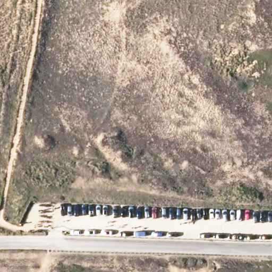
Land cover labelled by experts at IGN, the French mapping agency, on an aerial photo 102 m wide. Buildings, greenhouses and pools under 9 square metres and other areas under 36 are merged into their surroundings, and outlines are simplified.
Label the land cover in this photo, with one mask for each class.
<instances>
[{"label":"bare soil","instance_id":"1","mask_svg":"<svg viewBox=\"0 0 272 272\"><path fill-rule=\"evenodd\" d=\"M34 34H37V44L23 112L20 149L17 151L10 187L4 199L7 165L10 163L14 147L24 76L27 73ZM272 49V0H0V210H4L5 221L17 226L25 224L33 205L39 202H50L53 205H93L96 202L109 204L113 199L116 202L123 200V205L127 207H142L146 204L148 207L165 210L166 207L236 211L244 208L256 211L272 210V89L260 85L263 80L254 68L257 61L249 64L248 58L255 50ZM212 63L223 70L224 84L229 85L232 79L236 82L239 78L243 79L248 85V90L252 92L257 120L263 116L267 125L258 124L250 130V127L244 126L243 120L231 114L229 109L221 112L220 106L215 105L217 93L202 83ZM207 260L202 257H176L167 260L139 258L138 272H170L169 266L187 270L202 269L206 266ZM215 272H272V261L228 259L225 265Z\"/></svg>","mask_w":272,"mask_h":272},{"label":"impervious surface","instance_id":"2","mask_svg":"<svg viewBox=\"0 0 272 272\"><path fill-rule=\"evenodd\" d=\"M123 200L116 202L113 199L109 204L96 202L93 205H53L50 202H39L33 205L25 224L17 226L5 221L4 210H0V253H49L52 266L56 267L59 261L61 255L73 254L106 255L107 259L114 255L139 258L167 260L176 257H202L207 260L228 259L272 261V210L256 211L244 208L236 211L166 207L165 210L148 207L146 204L142 207H127L123 205Z\"/></svg>","mask_w":272,"mask_h":272},{"label":"pervious surface","instance_id":"3","mask_svg":"<svg viewBox=\"0 0 272 272\"><path fill-rule=\"evenodd\" d=\"M37 44V34H34L27 73L24 76L14 147L10 163L7 165L4 199L10 187L17 151L20 149L23 112ZM49 253H0V272H56V267L52 266ZM139 258L114 255L107 259L106 255L73 254L61 255L59 261L66 266L98 267L99 271L108 272H138ZM228 259L207 260L206 266L202 269L187 270L169 266L170 272H215L225 265Z\"/></svg>","mask_w":272,"mask_h":272},{"label":"herbaceous vegetation","instance_id":"4","mask_svg":"<svg viewBox=\"0 0 272 272\"><path fill-rule=\"evenodd\" d=\"M257 61L254 68L263 80L260 85L272 89V49L255 50L248 58L249 64ZM223 70L212 63L202 83L217 93L215 105L220 106L221 112L229 109L231 114L243 120L244 126L250 127V130L258 124L267 125L263 116L257 120L252 92L248 90V85L243 79L239 78L236 82L232 79L229 85L224 84ZM56 272H108L99 271L98 267L66 266L59 261L56 267Z\"/></svg>","mask_w":272,"mask_h":272}]
</instances>
